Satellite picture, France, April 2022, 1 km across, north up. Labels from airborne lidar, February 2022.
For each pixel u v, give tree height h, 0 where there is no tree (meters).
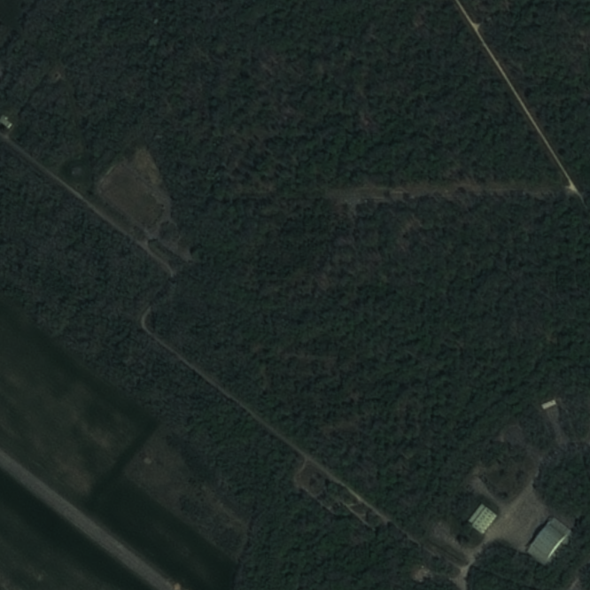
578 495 26
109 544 0
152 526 0
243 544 0
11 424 0
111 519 0
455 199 0
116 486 0
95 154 21
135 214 0
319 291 23
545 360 21
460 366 23
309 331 22
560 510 15
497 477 0
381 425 25
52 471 0
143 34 20
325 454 21
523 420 15
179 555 0
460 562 0
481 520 0
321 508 22
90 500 0
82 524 0
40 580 0
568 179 0
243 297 22
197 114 23
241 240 28
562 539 0
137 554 0
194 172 27
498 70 0
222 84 25
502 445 7
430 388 24
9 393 0
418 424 25
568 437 12
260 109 28
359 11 20
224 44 26
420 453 26
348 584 25
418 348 24
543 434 15
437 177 23
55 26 22
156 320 13
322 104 24
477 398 18
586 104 25
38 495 0
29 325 0
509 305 23
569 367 23
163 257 0
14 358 0
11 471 0
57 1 22
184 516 0
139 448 0
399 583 22
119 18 11
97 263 22
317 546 18
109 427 0
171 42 25
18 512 0
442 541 0
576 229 23
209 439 21
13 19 0
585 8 23
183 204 19
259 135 0
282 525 26
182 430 18
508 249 21
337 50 24
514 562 22
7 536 0
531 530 0
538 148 23
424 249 26
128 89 23
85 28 26
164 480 0
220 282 20
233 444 22
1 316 0
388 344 25
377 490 24
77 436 0
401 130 0
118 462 0
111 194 0
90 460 0
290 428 18
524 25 23
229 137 24
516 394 19
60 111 25
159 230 0
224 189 24
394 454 26
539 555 0
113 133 20
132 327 15
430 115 22
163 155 17
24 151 0
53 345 0
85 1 25
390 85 27
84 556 0
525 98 0
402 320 26
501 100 26
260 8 23
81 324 19
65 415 0
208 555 0
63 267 23
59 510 0
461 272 15
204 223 25
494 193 0
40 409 0
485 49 0
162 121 22
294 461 21
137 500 0
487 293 27
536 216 23
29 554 0
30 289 17
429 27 25
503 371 23
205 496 0
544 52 25
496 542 0
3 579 0
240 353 19
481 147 27
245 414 19
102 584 0
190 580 0
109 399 0
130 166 0
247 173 23
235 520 0
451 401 24
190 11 26
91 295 19
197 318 19
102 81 21
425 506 18
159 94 24
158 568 0
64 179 0
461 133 26
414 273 27
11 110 0
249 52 26
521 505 0
